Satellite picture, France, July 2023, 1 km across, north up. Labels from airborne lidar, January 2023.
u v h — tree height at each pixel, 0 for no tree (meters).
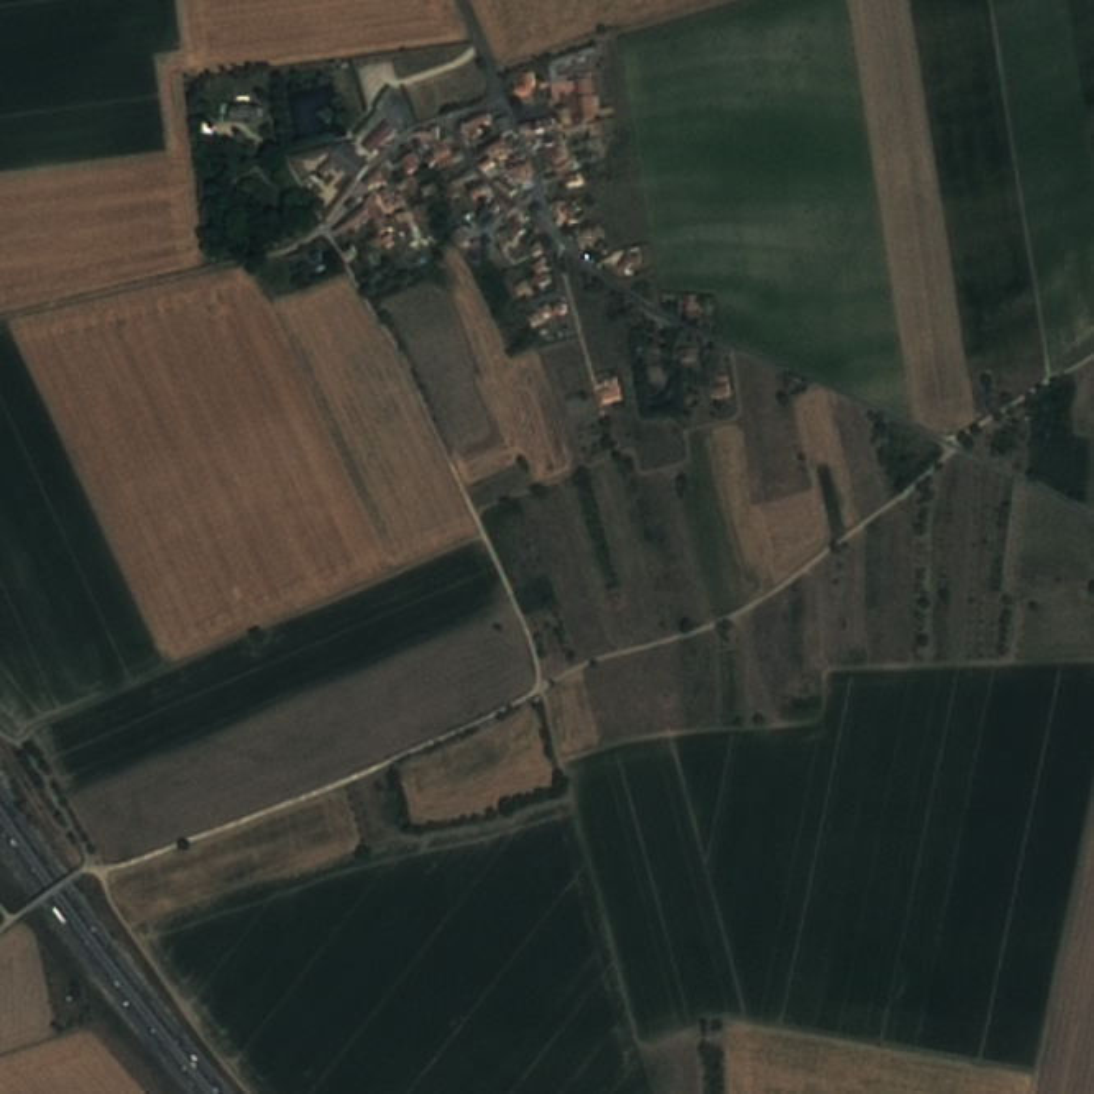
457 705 0
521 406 0
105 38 0
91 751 0
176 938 0
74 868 0
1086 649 0
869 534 0
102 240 0
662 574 0
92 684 0
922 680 0
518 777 0
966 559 0
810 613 0
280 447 0
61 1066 0
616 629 0
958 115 0
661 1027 0
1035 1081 0
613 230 0
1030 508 0
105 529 0
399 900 0
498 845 0
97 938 0
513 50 0
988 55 0
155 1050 0
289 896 0
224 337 0
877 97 0
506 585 0
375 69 0
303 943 0
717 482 0
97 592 0
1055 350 0
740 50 0
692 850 0
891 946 0
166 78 0
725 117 0
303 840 0
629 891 0
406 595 0
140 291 0
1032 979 0
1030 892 0
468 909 0
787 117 0
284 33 0
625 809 0
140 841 0
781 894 0
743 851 0
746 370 0
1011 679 0
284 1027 0
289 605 0
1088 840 0
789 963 0
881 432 10
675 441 0
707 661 0
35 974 0
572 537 0
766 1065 0
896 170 0
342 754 0
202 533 0
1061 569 0
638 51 0
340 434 0
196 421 0
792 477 0
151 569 0
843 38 0
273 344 0
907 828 0
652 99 0
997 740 0
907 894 0
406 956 0
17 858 0
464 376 0
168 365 0
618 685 0
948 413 0
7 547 0
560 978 0
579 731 0
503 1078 0
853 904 0
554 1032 0
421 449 0
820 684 0
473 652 0
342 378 0
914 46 0
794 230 0
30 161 0
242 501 0
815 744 0
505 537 0
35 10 0
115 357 0
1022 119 0
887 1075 0
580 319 0
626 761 0
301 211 25
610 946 0
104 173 0
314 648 0
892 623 0
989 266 0
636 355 6
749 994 0
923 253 0
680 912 0
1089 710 0
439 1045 0
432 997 0
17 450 0
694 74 0
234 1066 0
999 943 0
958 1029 0
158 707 0
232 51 0
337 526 0
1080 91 0
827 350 0
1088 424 0
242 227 33
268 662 0
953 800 0
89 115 0
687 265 0
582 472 8
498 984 0
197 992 0
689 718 0
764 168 0
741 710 0
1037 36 0
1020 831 0
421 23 0
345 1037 0
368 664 0
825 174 0
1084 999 0
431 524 0
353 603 0
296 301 0
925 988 0
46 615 0
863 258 0
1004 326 0
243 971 0
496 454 0
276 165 21
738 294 0
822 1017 0
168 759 0
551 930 0
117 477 0
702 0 0
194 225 0
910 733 0
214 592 0
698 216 0
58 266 0
